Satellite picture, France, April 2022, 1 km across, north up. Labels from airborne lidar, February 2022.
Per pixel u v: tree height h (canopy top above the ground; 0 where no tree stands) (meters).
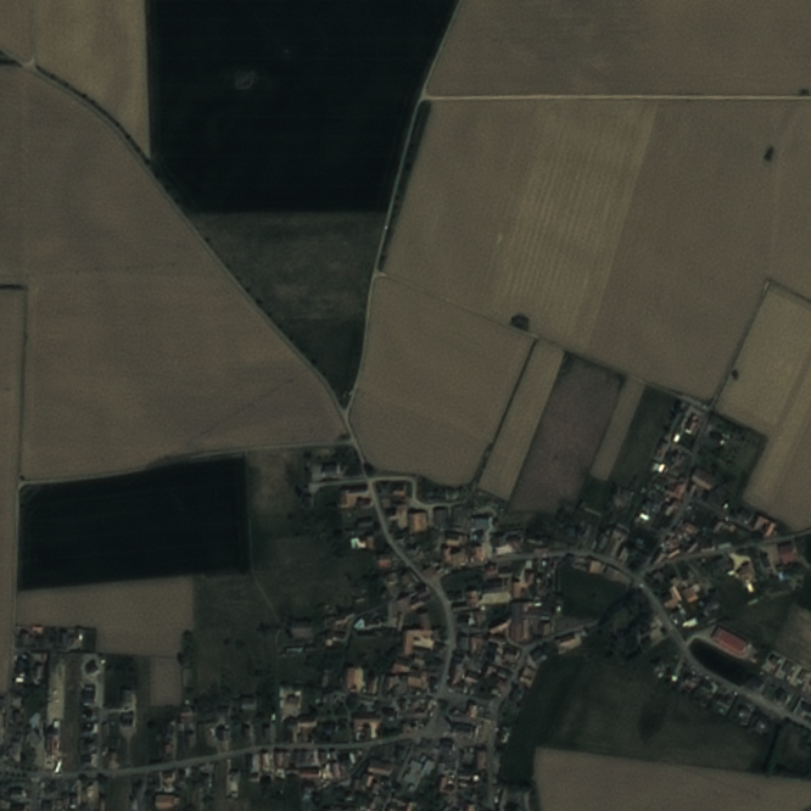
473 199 0
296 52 0
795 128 0
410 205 0
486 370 0
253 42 0
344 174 0
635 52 0
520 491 0
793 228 0
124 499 0
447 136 0
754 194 0
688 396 0
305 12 0
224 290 0
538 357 0
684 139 0
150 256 0
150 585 0
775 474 0
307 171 0
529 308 0
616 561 0
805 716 0
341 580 0
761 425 0
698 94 0
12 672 0
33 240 0
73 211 0
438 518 0
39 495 0
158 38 0
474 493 0
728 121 0
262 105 0
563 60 0
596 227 0
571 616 0
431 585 0
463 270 0
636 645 9
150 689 0
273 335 0
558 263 0
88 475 0
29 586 0
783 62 0
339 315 0
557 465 0
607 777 0
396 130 0
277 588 0
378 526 12
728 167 0
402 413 0
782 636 0
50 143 0
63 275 0
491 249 0
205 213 0
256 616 0
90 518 0
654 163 0
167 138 0
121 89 0
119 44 0
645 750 0
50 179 0
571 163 0
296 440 0
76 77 0
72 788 0
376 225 0
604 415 0
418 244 0
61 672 0
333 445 0
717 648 0
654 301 0
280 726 0
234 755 0
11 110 0
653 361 0
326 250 0
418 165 0
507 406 0
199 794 0
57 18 0
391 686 0
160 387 0
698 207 0
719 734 0
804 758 0
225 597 0
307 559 0
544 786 0
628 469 0
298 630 0
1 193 0
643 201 0
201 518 0
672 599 0
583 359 0
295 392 0
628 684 0
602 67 0
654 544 0
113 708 0
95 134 0
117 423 0
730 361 0
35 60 0
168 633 0
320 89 0
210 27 0
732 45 0
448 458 0
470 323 0
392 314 0
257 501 0
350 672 0
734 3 0
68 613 0
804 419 0
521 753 0
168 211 0
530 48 0
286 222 0
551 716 0
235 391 0
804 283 0
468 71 0
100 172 0
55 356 0
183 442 0
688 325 0
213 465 0
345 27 0
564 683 0
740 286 0
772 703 0
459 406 0
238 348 0
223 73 0
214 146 0
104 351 0
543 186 0
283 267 0
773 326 0
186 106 0
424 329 0
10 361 0
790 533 0
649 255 0
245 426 0
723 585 0
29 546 0
